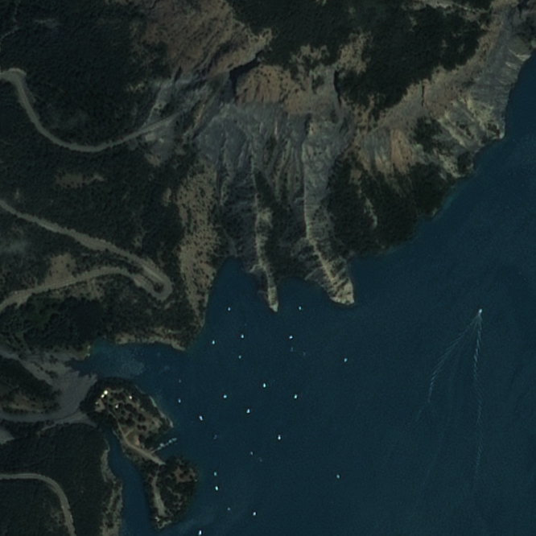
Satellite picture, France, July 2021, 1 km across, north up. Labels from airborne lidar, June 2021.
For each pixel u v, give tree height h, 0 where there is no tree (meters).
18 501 6
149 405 6
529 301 0
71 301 17
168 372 0
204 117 0
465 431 0
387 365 0
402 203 9
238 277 0
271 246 8
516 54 0
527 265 0
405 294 0
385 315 0
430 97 0
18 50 6
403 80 6
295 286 0
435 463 0
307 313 0
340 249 8
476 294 0
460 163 6
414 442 0
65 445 8
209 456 0
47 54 7
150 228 12
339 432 0
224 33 0
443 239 0
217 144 0
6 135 11
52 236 7
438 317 0
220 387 0
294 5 8
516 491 0
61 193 8
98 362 0
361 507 0
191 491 7
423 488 0
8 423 7
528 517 0
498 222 0
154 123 0
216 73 0
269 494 0
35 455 9
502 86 0
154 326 10
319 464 0
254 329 0
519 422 0
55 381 0
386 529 0
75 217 12
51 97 14
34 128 9
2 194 9
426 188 7
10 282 7
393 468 0
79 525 11
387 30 10
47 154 9
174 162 7
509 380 0
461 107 0
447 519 0
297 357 0
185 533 0
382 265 0
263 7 5
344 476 0
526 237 0
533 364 0
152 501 9
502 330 0
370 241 7
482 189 0
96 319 18
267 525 0
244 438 0
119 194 9
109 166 15
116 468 0
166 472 8
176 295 7
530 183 0
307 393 0
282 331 0
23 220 7
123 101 10
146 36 0
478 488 0
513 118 0
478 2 8
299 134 0
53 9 7
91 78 10
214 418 0
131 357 0
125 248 13
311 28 9
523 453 0
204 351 0
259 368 0
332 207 8
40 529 7
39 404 0
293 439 0
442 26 7
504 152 0
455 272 0
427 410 0
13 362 11
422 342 0
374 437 0
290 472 0
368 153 0
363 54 7
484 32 9
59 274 0
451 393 0
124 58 6
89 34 8
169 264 8
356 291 0
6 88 8
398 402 0
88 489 6
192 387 0
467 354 0
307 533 0
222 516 0
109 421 9
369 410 0
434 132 11
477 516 0
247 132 0
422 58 7
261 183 8
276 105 0
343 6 9
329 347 0
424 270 0
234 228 9
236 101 0
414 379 0
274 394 0
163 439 0
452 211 0
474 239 0
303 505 0
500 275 0
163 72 6
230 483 0
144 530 0
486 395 0
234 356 0
